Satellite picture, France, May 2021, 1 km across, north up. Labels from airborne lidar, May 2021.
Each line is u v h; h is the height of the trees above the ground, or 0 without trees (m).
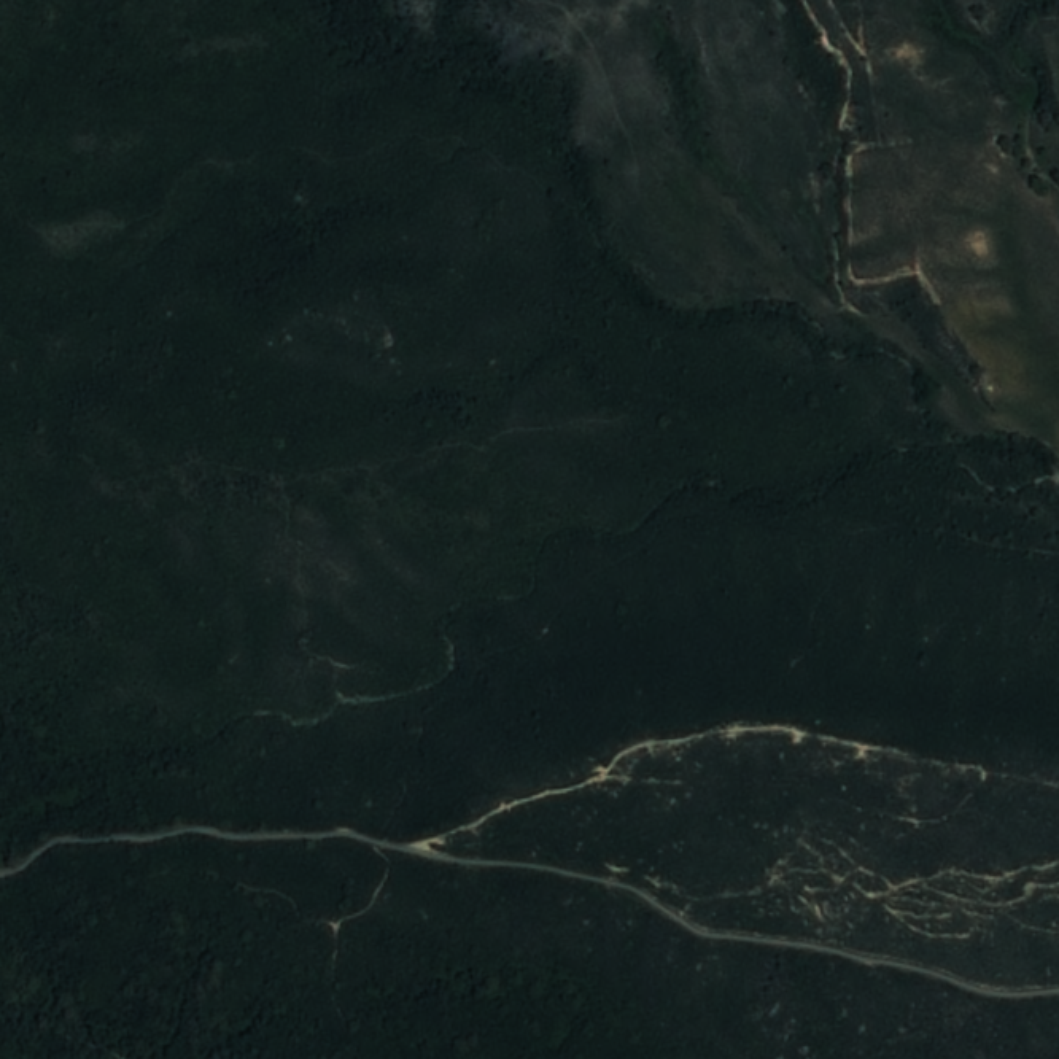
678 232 0
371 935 6
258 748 7
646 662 6
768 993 10
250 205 7
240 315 6
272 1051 6
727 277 0
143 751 11
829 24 0
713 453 8
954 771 0
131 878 11
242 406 6
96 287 6
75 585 5
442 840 0
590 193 8
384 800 6
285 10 5
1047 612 7
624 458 5
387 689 5
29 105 10
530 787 0
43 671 8
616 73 0
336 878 5
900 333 0
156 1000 12
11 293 6
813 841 0
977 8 11
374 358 7
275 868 6
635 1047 7
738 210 0
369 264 7
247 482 10
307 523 0
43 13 11
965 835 0
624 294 7
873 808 0
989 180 0
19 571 7
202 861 7
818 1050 6
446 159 5
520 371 6
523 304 9
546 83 6
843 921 0
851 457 5
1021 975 0
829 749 0
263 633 6
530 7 0
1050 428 0
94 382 7
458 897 6
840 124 0
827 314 0
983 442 11
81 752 6
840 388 11
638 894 0
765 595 6
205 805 6
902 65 0
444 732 6
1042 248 0
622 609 8
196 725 9
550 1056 8
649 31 0
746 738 0
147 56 6
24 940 12
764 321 6
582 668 5
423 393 10
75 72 5
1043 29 0
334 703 7
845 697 5
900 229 0
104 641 7
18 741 9
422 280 6
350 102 8
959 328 0
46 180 12
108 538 9
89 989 7
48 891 6
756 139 0
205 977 11
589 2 0
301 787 5
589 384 7
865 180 0
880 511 6
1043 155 9
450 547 8
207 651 6
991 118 0
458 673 6
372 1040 7
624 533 5
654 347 11
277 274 9
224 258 6
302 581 0
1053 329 0
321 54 7
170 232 7
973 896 0
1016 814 0
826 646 5
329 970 6
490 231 6
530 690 5
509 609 5
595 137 0
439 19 11
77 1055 18
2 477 8
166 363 6
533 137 8
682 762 0
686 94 8
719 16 0
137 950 9
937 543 5
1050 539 10
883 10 0
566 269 9
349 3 17
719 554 5
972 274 0
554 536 6
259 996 10
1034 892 0
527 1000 8
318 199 8
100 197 6
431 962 8
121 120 6
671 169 0
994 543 10
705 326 10
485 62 12
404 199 7
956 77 0
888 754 0
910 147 0
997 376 0
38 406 6
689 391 6
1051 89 6
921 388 12
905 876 0
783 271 0
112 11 8
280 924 8
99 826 8
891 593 5
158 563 7
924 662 10
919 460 9
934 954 0
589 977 6
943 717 6
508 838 6
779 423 6
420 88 5
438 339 7
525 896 5
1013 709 6
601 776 0
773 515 7
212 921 10
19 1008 19
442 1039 6
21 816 8
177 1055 8
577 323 8
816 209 0
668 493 8
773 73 0
